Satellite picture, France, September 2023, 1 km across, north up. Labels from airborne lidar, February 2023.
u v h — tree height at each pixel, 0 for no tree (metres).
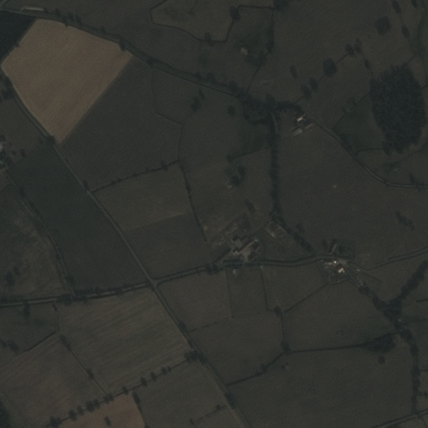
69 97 0
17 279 0
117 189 0
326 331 0
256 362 0
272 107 15
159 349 0
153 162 0
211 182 0
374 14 0
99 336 0
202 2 0
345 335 0
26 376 0
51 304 0
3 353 0
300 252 0
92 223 0
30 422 0
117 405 0
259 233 0
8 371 0
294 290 0
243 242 0
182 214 0
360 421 0
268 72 0
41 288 0
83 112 0
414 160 0
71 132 0
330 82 0
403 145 19
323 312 0
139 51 0
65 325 0
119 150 0
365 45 0
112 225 0
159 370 0
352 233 0
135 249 0
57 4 0
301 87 0
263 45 0
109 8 0
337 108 0
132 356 0
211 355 0
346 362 0
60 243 0
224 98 0
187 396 0
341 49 0
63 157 0
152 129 0
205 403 0
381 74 0
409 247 0
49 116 0
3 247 0
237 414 0
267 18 0
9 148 0
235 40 0
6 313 0
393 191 0
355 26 0
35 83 0
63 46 0
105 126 0
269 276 0
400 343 0
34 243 0
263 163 0
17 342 0
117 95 0
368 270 0
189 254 0
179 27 0
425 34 0
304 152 0
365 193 0
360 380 0
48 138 11
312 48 0
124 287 8
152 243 0
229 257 0
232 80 0
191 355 11
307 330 0
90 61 0
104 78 0
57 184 0
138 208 0
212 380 0
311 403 0
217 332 0
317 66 0
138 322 0
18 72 0
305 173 0
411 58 0
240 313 0
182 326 14
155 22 0
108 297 0
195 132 0
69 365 0
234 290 0
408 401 0
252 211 14
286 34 0
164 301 0
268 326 0
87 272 0
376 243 0
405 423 0
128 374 0
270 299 0
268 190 0
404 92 23
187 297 0
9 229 0
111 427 0
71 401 0
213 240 0
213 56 0
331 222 0
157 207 0
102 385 0
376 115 18
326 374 0
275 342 0
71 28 0
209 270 16
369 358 0
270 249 0
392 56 0
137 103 0
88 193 0
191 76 0
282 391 0
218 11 0
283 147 0
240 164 0
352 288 0
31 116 0
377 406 0
